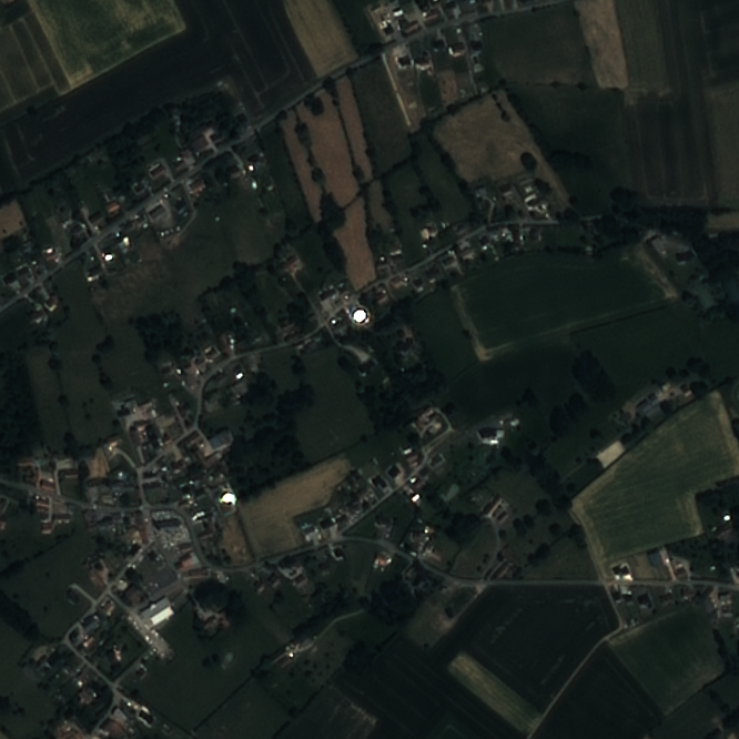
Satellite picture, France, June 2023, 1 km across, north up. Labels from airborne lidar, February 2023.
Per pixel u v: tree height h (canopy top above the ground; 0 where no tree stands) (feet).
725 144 0
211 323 32
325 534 0
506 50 0
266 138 0
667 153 0
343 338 39
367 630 0
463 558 0
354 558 0
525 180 0
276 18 0
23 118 0
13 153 0
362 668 54
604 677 0
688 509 0
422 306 0
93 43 0
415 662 0
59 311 0
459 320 0
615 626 0
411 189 0
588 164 47
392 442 0
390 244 31
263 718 0
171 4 0
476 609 0
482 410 0
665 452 0
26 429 40
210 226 0
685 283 0
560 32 0
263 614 0
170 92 0
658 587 0
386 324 53
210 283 0
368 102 0
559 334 0
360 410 0
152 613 0
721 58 0
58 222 0
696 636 0
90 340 0
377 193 0
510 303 0
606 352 0
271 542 0
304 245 0
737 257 58
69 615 0
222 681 0
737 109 0
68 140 0
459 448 0
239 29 0
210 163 24
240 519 0
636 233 51
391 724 0
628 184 0
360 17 0
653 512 0
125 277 0
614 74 0
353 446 0
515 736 0
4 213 0
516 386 0
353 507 0
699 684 0
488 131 0
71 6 0
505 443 0
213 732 0
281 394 0
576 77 0
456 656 0
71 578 0
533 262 0
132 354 0
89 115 0
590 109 0
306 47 0
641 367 0
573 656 0
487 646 0
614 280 0
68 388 0
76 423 0
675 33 0
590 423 0
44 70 0
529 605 0
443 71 0
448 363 0
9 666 0
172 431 0
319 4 0
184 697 0
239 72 0
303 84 0
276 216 0
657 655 0
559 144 0
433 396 58
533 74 0
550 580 0
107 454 0
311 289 0
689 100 0
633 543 0
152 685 0
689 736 0
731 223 0
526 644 0
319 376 0
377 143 0
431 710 0
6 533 0
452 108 26
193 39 0
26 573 0
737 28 0
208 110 37
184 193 0
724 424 0
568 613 0
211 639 20
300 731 0
